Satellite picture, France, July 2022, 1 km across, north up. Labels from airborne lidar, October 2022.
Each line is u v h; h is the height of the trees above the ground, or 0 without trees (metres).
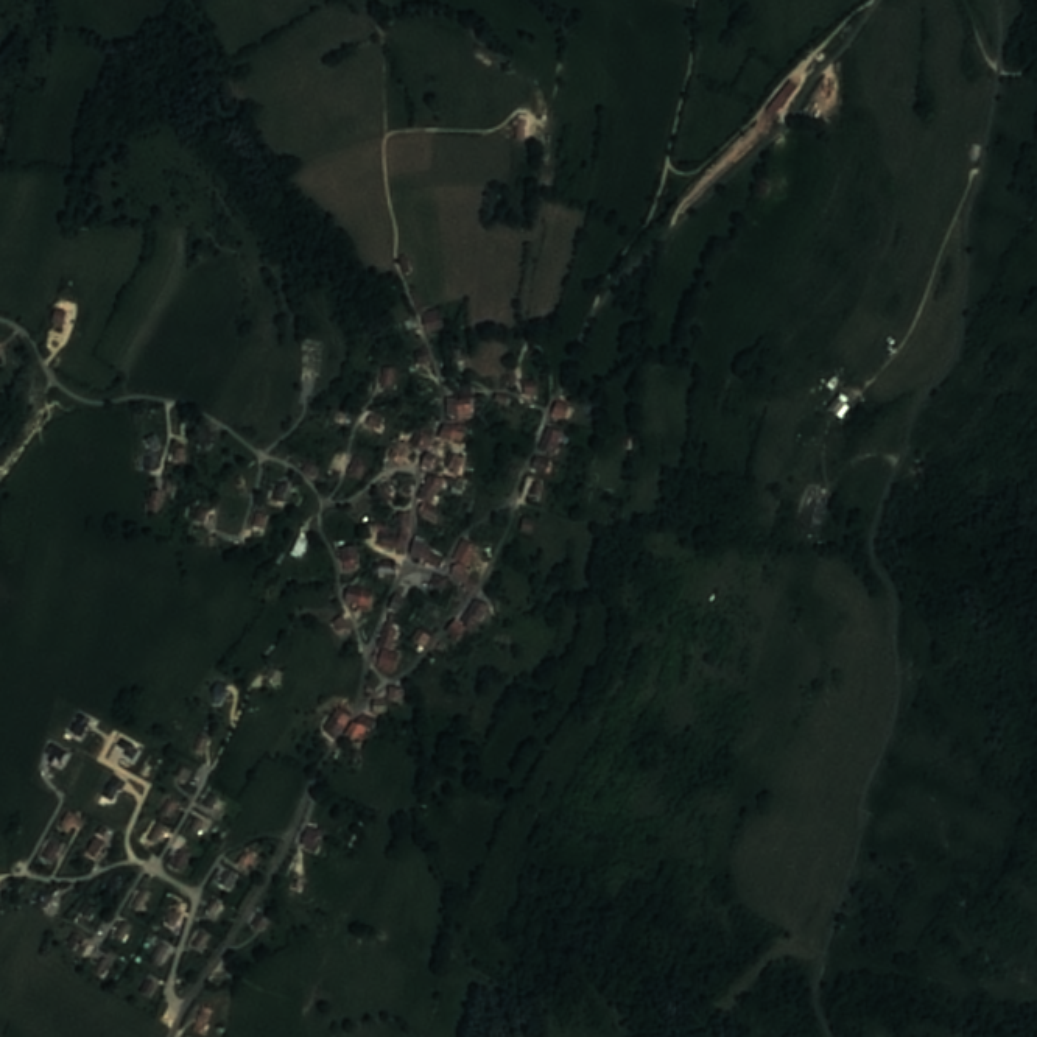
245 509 0
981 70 0
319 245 11
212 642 0
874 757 0
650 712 7
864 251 0
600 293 20
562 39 7
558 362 0
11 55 11
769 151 7
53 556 0
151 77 6
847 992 12
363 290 20
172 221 0
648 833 7
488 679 18
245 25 0
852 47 0
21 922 0
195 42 17
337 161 0
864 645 0
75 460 0
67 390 0
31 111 0
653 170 0
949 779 0
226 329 0
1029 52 12
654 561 21
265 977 0
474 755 14
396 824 19
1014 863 12
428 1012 0
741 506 6
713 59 0
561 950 23
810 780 0
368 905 0
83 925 0
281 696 0
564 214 0
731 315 0
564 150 7
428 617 0
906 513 19
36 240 0
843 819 0
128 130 9
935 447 0
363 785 0
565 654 6
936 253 0
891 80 0
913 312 0
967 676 6
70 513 0
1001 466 7
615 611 14
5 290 0
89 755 0
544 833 14
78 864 8
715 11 0
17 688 0
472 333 17
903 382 0
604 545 19
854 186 0
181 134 18
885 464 0
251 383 0
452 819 0
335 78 0
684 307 16
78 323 0
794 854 0
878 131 0
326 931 0
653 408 0
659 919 18
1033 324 0
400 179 0
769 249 0
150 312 0
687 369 18
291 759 7
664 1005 24
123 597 0
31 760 0
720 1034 19
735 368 13
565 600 13
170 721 0
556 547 0
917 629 0
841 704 0
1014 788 5
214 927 6
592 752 8
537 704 19
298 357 0
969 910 7
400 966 0
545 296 0
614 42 0
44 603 0
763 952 16
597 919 10
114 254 0
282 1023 0
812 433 0
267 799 0
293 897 0
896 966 9
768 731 0
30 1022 0
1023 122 0
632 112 0
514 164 0
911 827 0
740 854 0
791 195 0
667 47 0
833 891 0
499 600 7
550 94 0
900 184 0
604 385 20
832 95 0
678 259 0
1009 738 9
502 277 0
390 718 9
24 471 0
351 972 0
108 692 0
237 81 6
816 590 0
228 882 0
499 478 8
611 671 8
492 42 10
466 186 0
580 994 12
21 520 0
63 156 0
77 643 0
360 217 0
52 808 0
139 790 0
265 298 0
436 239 0
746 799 0
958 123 0
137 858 0
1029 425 7
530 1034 21
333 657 0
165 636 0
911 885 8
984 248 0
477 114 0
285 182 19
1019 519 18
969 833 0
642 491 0
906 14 0
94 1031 0
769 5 0
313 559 0
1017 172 8
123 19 0
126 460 0
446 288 0
